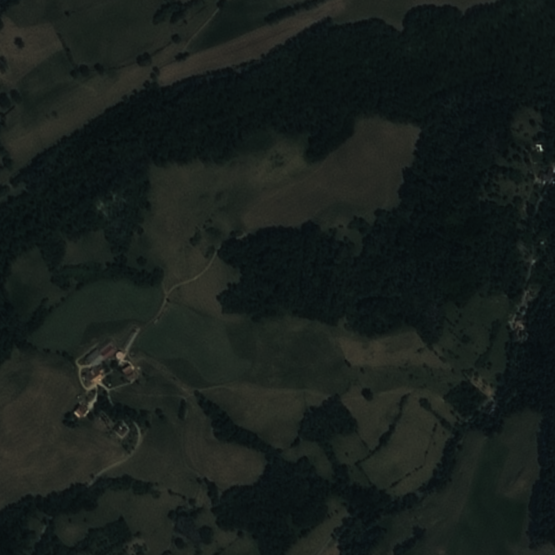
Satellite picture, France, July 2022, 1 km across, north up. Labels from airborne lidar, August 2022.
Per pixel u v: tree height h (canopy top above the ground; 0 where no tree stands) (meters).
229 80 22
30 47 0
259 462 0
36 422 0
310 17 0
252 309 20
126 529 7
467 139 22
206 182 0
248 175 0
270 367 0
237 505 26
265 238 26
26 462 0
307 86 24
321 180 0
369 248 19
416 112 25
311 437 9
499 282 16
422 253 25
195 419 0
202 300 0
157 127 16
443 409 0
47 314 7
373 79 23
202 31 0
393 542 0
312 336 0
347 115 21
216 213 0
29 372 0
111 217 7
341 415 23
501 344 0
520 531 0
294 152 0
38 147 0
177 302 0
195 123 26
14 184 15
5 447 0
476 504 0
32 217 22
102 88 0
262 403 0
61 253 14
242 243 21
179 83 12
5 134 0
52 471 0
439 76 21
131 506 0
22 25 0
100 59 0
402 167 0
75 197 16
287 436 0
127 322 0
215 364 0
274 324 0
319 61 20
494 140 23
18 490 0
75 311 0
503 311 0
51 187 19
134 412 11
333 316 12
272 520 7
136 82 0
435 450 0
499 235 18
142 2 0
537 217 14
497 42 24
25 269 0
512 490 0
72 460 0
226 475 0
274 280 20
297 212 0
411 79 22
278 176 0
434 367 0
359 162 0
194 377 0
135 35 0
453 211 25
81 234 12
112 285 0
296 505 13
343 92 21
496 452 0
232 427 19
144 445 0
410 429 0
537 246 6
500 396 15
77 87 0
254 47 0
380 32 20
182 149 31
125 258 13
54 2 0
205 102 17
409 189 25
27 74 0
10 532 17
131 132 12
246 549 0
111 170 19
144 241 0
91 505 17
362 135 0
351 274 13
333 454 10
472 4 0
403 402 8
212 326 0
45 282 0
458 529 0
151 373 0
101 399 12
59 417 0
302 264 28
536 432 0
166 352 0
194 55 0
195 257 0
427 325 24
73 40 0
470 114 28
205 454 0
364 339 0
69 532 0
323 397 0
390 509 11
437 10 16
